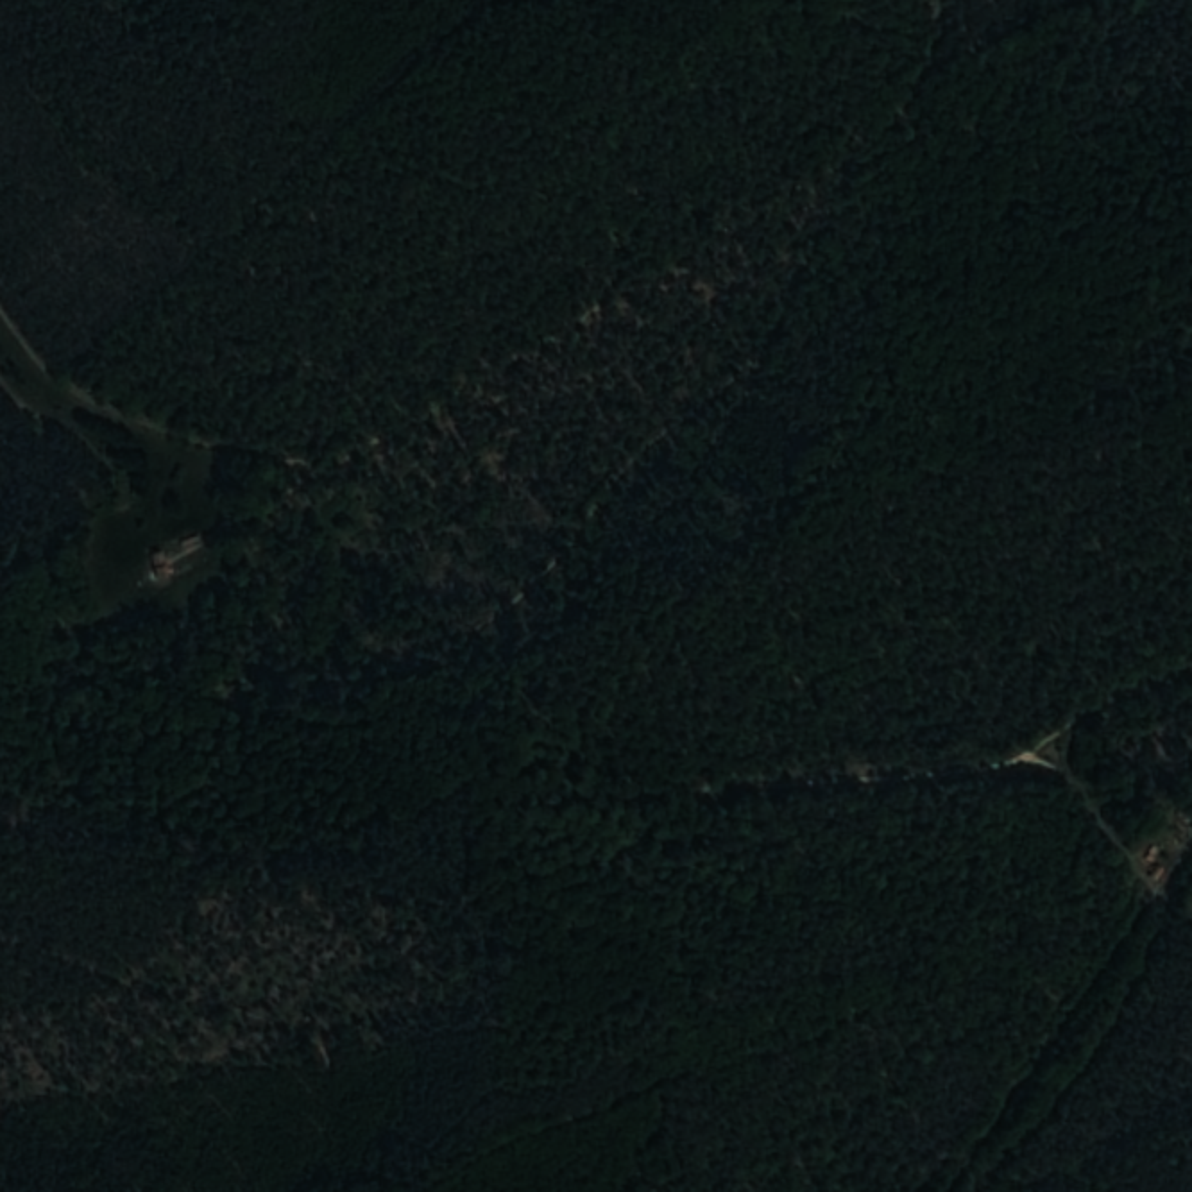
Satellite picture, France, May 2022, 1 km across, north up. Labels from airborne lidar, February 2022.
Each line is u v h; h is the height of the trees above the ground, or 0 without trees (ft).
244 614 86
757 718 99
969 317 90
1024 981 83
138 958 79
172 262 70
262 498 107
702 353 75
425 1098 68
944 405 82
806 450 94
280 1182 24
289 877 79
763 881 94
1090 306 93
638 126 92
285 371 97
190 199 77
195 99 70
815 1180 98
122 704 99
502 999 76
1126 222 97
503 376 92
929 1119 80
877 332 87
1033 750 0
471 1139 54
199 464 0
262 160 76
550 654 71
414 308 93
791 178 95
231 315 93
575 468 98
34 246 71
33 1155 51
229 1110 41
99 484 87
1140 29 83
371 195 76
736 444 27
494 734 90
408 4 38
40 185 59
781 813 89
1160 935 46
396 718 104
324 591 111
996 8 71
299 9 59
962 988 99
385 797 101
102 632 36
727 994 92
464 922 77
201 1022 76
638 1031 76
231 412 88
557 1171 73
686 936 109
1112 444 75
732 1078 81
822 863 89
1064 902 77
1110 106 92
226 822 90
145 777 96
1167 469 67
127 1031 93
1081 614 79
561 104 76
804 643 79
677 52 79
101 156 71
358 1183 84
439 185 89
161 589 0
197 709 108
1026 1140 96
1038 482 72
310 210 84
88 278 75
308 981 75
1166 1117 69
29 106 68
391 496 102
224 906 75
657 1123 55
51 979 85
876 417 81
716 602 74
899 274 85
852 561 86
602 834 88
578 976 86
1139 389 70
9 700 86
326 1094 0
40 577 79
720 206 96
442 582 0
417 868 40
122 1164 62
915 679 97
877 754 94
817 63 102
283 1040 83
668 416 96
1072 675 95
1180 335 51
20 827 26
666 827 93
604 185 93
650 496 85
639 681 98
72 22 79
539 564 20
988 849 106
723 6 80
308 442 94
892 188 95
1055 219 100
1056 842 90
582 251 96
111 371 85
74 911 77
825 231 86
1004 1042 86
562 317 89
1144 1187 47
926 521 87
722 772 85
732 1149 91
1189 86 88
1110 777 101
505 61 75
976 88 97
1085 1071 86
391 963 82
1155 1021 89
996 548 83
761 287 84
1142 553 89
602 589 89
